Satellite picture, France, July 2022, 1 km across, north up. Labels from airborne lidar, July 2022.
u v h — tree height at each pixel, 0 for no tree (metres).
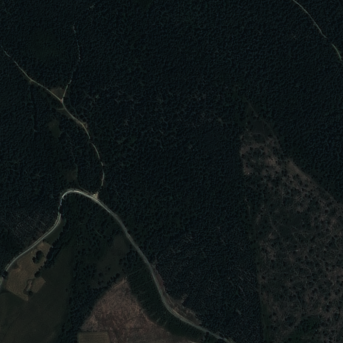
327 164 21
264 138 0
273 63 22
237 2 20
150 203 12
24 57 8
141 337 0
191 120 18
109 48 15
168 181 14
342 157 25
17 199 20
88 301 15
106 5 21
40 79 17
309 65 23
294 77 20
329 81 25
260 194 14
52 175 26
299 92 21
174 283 22
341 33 24
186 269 19
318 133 22
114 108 21
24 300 0
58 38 20
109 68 20
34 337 0
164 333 0
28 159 20
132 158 11
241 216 8
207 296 18
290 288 7
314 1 20
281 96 20
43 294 0
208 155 6
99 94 9
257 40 26
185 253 23
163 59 27
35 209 24
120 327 0
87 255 8
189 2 15
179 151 22
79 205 10
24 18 17
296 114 23
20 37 15
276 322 8
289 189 7
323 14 25
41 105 22
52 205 20
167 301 0
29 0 17
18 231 22
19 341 0
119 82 20
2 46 20
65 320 0
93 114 12
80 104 19
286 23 23
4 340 0
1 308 0
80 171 14
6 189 20
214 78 14
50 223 19
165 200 9
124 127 20
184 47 16
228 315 16
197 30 21
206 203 11
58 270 0
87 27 22
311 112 26
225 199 18
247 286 22
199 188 15
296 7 24
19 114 18
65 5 20
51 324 0
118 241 0
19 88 20
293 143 10
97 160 8
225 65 19
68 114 0
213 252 23
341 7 25
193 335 7
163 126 23
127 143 19
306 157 13
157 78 24
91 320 0
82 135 25
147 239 13
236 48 17
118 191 17
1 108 19
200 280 21
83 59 22
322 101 26
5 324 0
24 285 0
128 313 0
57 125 0
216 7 10
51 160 18
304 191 9
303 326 9
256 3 23
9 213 19
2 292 0
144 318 0
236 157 18
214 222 18
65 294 0
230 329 25
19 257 0
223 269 18
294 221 0
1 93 22
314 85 24
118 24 23
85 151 13
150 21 16
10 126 20
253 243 12
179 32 21
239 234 25
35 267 0
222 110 11
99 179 12
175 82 18
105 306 0
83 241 10
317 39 19
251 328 19
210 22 23
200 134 19
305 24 23
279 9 22
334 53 21
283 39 27
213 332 20
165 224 6
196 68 16
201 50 18
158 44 25
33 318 0
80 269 11
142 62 10
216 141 20
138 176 15
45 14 16
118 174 23
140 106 18
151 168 20
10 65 24
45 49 8
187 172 19
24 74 9
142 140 14
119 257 0
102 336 0
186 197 15
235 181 15
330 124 11
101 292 19
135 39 14
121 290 0
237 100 15
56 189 26
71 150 12
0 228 14
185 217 11
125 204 17
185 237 24
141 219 14
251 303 24
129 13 15
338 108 24
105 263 0
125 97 22
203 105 17
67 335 11
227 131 12
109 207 8
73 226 12
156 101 21
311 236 0
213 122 18
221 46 20
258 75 20
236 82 17
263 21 12
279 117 13
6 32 19
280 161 9
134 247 8
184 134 14
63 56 14
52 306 0
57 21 18
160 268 20
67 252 0
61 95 0
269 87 18
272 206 11
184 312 0
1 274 10
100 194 11
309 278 8
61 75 11
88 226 16
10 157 24
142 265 7
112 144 16
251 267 18
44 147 21
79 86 16
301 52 16
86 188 9
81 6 22
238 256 25
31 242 0
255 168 8
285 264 13
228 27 20
